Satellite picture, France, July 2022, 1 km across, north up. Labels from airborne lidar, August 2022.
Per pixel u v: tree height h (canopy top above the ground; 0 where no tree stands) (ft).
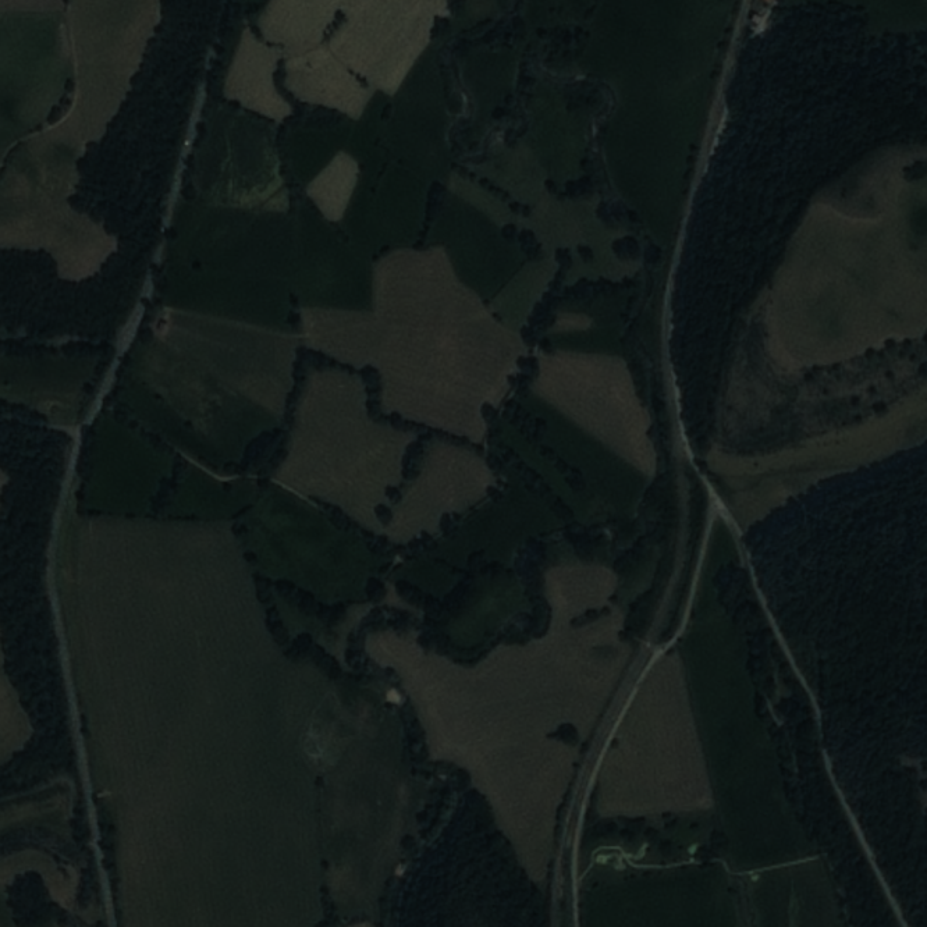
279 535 0
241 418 0
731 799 0
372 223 0
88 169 46
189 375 0
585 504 0
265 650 0
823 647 49
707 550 0
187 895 0
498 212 0
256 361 0
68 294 31
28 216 0
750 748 0
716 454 0
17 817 0
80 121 0
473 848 50
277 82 28
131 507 0
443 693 0
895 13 0
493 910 37
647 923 0
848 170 22
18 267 31
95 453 54
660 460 19
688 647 0
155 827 0
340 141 0
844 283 0
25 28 0
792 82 40
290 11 0
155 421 0
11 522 63
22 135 0
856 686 66
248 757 0
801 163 64
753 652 39
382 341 0
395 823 0
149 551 0
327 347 0
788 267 0
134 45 0
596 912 0
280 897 0
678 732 0
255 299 0
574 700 0
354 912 0
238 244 0
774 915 0
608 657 0
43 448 38
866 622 62
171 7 49
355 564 0
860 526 80
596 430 0
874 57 65
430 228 37
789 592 56
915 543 101
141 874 0
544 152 0
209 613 0
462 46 24
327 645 0
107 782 0
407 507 0
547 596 0
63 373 0
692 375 58
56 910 37
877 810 46
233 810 0
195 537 0
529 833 0
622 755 0
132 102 39
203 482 0
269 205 0
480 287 0
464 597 64
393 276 0
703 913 0
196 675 0
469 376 0
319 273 0
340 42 0
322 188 0
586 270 0
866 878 64
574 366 0
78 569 0
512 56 0
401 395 0
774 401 0
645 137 0
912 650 53
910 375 0
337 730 0
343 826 0
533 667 0
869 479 87
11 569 49
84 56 0
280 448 53
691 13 0
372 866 0
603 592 0
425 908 26
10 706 0
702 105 0
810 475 0
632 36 0
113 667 0
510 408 33
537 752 0
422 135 0
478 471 0
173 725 0
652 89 0
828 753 66
